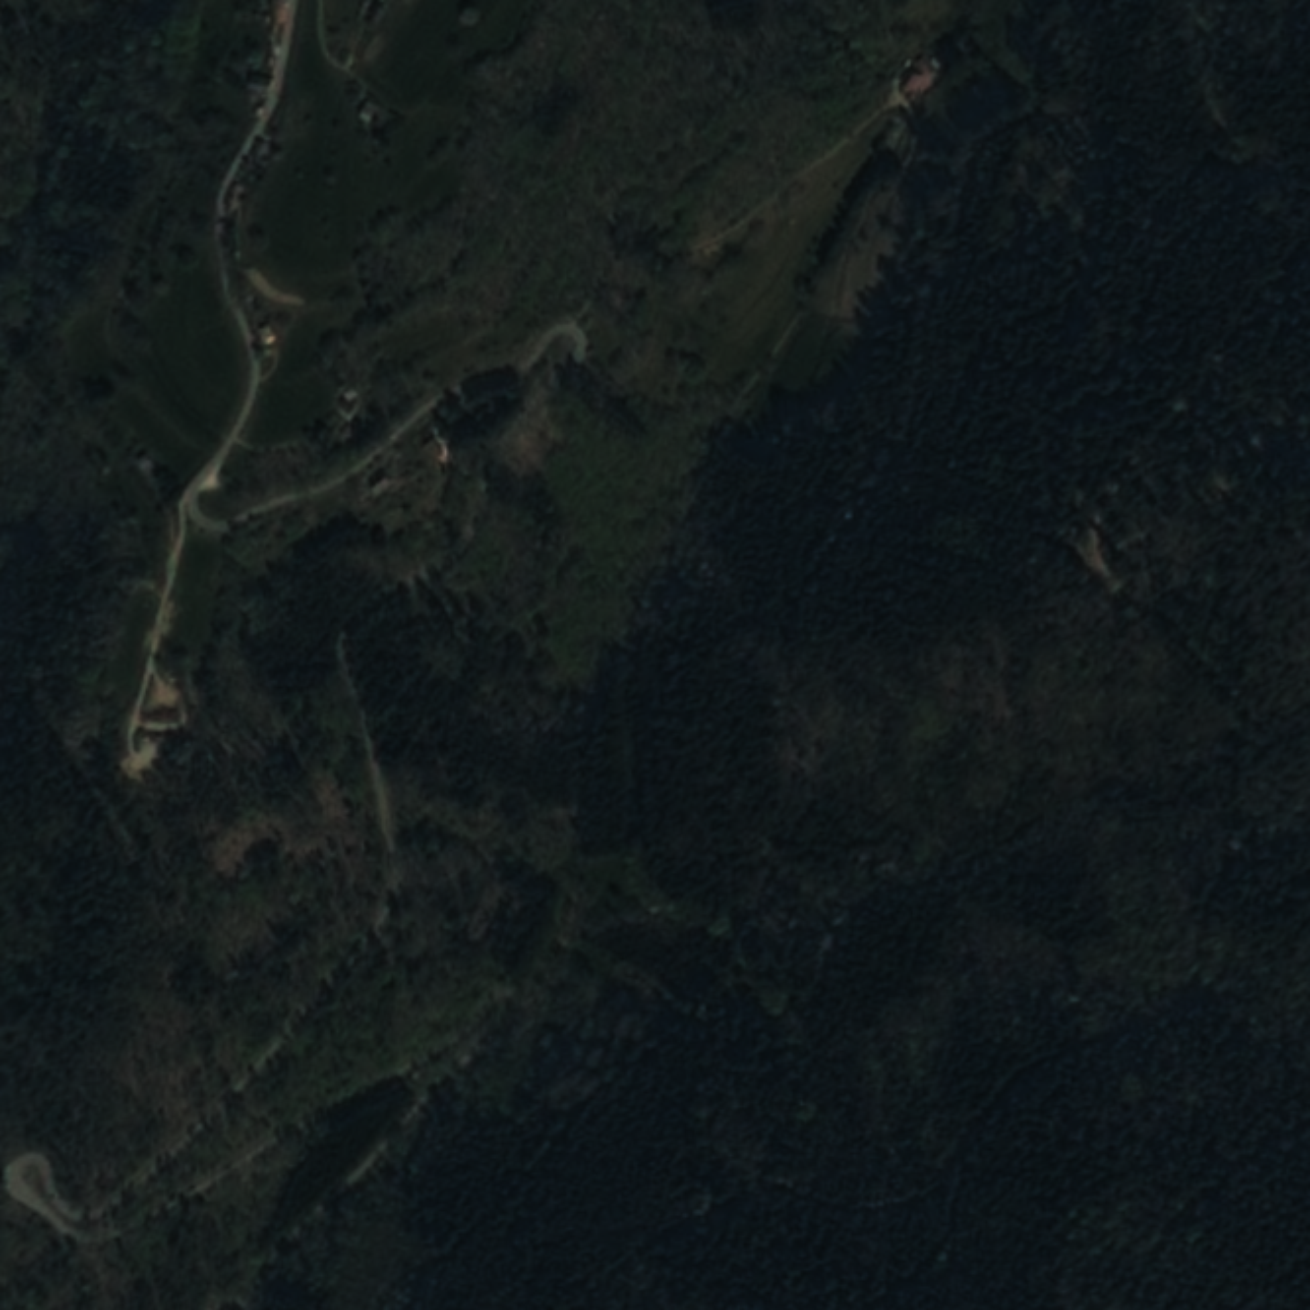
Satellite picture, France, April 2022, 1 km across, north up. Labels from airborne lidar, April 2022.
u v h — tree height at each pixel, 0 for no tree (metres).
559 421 15
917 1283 24
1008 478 22
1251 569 27
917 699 21
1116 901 25
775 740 27
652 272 28
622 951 9
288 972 32
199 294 0
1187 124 26
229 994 21
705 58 24
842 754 19
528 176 22
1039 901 22
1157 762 27
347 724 22
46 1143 13
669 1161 29
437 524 7
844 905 31
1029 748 26
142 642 0
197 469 0
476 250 20
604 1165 23
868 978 25
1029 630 21
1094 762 29
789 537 25
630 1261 19
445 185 0
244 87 20
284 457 12
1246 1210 29
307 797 20
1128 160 29
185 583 0
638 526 20
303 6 0
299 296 0
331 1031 27
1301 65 27
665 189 17
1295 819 29
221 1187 16
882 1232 27
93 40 28
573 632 22
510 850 14
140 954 21
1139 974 25
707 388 20
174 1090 11
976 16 18
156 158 24
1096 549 0
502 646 29
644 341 23
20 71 24
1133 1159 26
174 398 0
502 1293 23
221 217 0
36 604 38
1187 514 21
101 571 22
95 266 23
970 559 24
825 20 31
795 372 0
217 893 20
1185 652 26
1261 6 15
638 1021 30
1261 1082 30
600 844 32
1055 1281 24
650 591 27
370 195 0
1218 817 23
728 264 14
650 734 18
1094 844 25
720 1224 26
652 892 19
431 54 0
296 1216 24
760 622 21
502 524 23
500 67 14
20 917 10
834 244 17
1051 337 30
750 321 0
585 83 22
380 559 22
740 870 21
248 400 0
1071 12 10
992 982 23
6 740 19
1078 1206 21
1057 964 19
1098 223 32
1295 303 21
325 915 14
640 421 26
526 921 35
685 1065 24
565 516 27
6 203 24
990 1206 23
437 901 37
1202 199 35
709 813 21
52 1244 5
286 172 0
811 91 23
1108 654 28
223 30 0
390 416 13
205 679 15
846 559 22
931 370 24
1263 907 27
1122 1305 21
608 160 24
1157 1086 28
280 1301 28
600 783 33
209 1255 21
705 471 22
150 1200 14
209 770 24
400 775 37
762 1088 33
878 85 13
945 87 0
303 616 33
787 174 19
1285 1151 30
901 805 21
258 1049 19
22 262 18
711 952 11
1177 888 20
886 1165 25
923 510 26
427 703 36
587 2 16
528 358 0
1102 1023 25
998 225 28
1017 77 0
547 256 21
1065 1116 25
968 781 26
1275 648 26
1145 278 30
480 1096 15
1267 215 31
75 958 9
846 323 0
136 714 0
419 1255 10
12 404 18
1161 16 23
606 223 31
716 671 27
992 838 25
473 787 39
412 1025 23
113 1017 18
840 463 25
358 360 24
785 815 20
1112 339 32
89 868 26
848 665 17
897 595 25
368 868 13
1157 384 34
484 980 19
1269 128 19
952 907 27
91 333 0
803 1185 23
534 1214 20
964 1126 24
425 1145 21
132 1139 26
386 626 29
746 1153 29
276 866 14
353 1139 25
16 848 7
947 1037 22
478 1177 27
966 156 30
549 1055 19
